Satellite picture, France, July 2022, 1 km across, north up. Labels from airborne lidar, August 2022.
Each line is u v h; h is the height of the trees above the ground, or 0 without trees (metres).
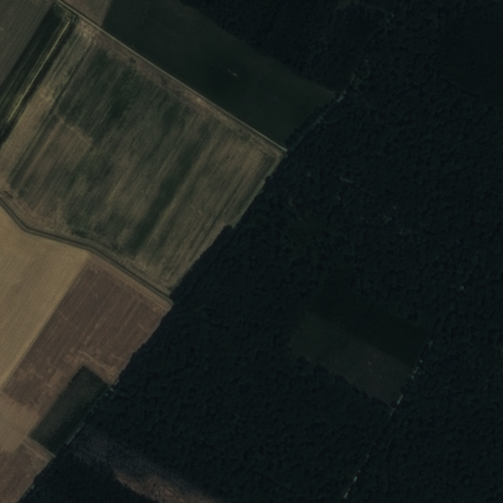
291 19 24
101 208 0
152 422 22
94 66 0
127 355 0
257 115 0
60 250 0
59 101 0
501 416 24
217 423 19
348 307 6
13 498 0
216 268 23
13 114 0
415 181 24
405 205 25
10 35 0
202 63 0
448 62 7
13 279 0
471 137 26
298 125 0
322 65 28
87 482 22
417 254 26
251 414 25
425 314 25
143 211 0
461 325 26
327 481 15
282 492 19
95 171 0
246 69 0
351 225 26
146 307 0
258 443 21
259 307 27
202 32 0
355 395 24
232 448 21
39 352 0
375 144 22
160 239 0
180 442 23
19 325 0
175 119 0
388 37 23
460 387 28
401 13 22
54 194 0
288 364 29
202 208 0
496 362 26
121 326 0
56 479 19
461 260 27
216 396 27
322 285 23
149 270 0
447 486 25
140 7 0
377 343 5
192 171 0
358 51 25
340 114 19
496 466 23
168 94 0
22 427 0
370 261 26
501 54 14
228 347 27
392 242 29
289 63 27
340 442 22
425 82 28
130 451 15
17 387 0
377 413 28
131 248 0
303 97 0
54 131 0
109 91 0
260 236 23
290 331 26
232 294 27
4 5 0
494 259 27
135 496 21
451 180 23
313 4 21
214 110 0
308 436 28
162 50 0
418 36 25
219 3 18
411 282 29
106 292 0
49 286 0
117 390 10
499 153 15
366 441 20
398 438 25
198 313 27
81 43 0
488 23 17
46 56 0
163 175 0
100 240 0
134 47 0
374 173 23
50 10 0
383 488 25
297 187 25
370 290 25
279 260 23
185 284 18
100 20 0
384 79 25
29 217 0
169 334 25
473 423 26
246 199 0
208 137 0
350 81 15
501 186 15
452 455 26
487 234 22
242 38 17
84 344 0
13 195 0
